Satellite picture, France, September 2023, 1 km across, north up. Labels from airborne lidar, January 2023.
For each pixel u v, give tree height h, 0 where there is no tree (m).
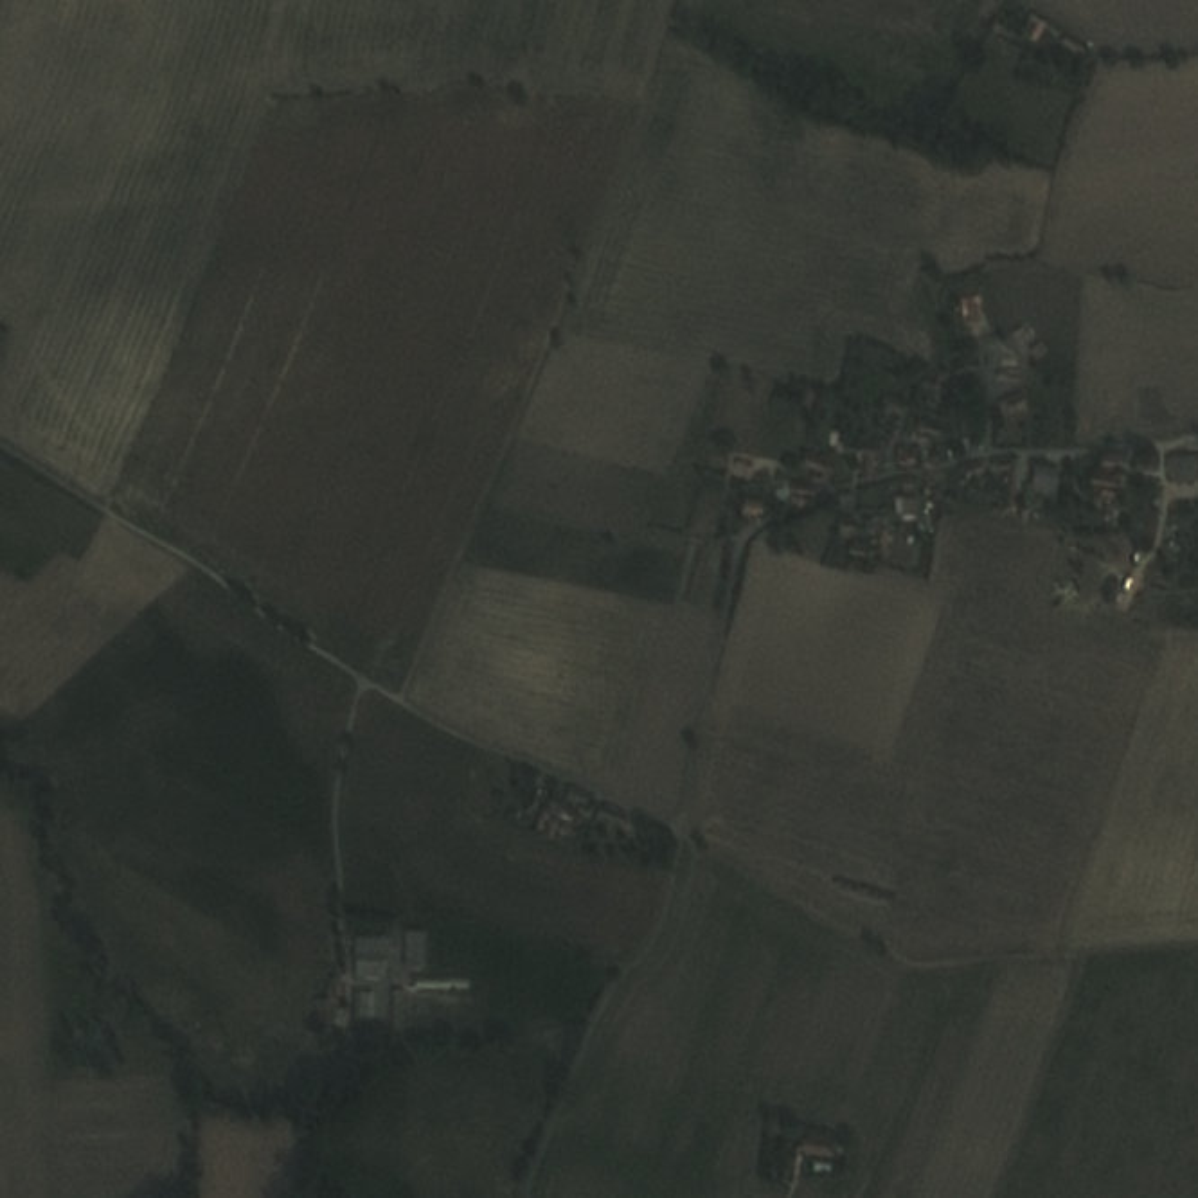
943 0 0
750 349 0
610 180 0
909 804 0
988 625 0
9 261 0
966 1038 0
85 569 0
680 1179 0
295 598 0
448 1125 0
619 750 0
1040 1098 0
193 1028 0
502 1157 0
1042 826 0
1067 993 0
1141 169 0
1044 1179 0
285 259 0
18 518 0
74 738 0
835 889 0
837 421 7
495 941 0
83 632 0
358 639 0
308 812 0
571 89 0
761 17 0
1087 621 0
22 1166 0
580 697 0
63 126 0
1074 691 0
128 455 0
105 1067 19
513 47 0
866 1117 0
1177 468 0
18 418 0
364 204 0
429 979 0
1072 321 0
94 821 0
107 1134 0
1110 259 0
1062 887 0
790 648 0
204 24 0
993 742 0
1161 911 0
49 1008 0
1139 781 0
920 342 0
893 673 0
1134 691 0
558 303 0
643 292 0
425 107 0
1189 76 0
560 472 0
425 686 0
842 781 0
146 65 0
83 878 0
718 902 0
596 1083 0
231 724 0
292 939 0
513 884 0
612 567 0
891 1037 0
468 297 0
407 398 0
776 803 0
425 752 0
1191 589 0
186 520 0
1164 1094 0
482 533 0
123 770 0
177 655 0
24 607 0
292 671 0
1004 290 0
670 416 0
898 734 0
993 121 0
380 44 0
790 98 22
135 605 0
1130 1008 0
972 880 0
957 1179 0
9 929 0
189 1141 6
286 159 0
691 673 0
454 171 0
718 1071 0
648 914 0
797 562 0
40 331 0
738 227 0
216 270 0
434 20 0
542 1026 0
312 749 0
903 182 0
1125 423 0
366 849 0
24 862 0
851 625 0
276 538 0
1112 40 0
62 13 0
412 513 0
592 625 0
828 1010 0
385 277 0
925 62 0
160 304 0
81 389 0
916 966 0
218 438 0
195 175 0
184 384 0
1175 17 0
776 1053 0
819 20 0
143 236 0
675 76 0
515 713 0
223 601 0
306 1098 21
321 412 0
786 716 0
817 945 0
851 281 0
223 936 0
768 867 0
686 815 0
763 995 0
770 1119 12
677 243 0
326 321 0
